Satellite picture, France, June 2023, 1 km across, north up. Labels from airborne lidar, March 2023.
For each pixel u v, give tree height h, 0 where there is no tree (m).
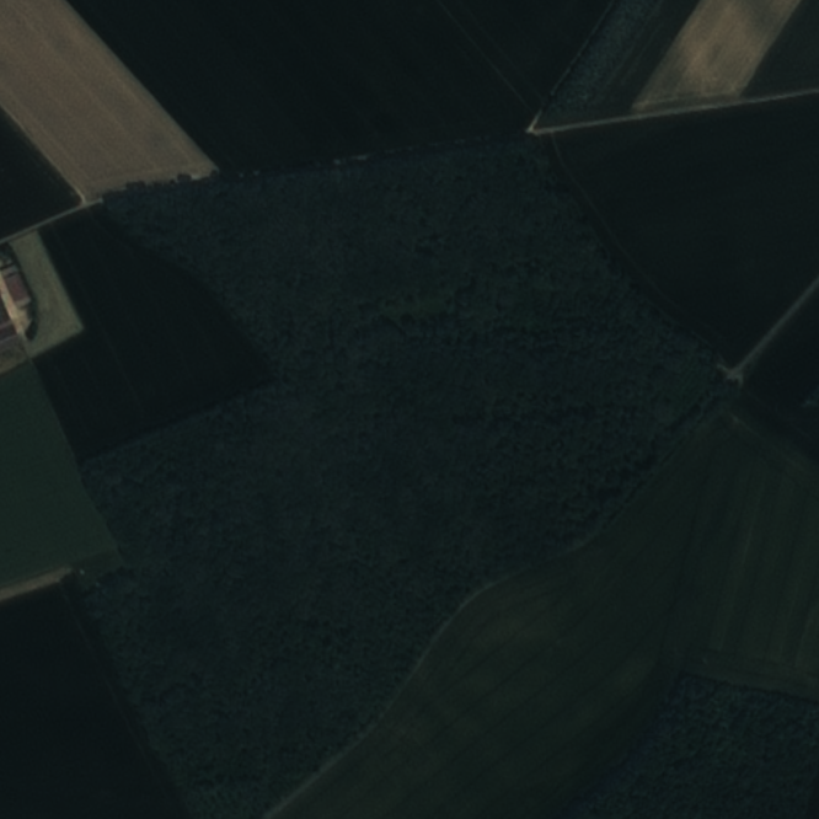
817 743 17
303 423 26
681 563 0
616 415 26
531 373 23
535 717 0
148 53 0
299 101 0
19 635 0
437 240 22
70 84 0
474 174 22
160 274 0
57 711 0
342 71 0
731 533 0
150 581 21
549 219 19
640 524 0
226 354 0
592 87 12
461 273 19
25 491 0
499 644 0
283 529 23
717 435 0
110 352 0
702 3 0
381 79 0
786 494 0
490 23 0
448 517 21
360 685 20
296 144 0
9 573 0
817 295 0
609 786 23
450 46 0
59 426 0
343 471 23
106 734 0
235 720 24
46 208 0
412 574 18
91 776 0
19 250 0
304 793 0
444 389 24
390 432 21
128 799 0
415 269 24
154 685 10
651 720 0
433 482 24
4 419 0
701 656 0
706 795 14
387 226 22
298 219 25
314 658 20
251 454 25
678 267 0
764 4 0
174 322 0
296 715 23
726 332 0
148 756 0
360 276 23
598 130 0
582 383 24
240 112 0
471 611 0
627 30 12
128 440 9
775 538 0
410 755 0
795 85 0
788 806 17
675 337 17
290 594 23
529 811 0
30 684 0
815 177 0
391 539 18
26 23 0
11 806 0
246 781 15
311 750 17
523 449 21
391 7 0
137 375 0
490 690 0
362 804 0
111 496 18
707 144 0
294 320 23
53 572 0
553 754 0
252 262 24
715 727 19
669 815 19
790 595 0
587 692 0
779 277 0
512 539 19
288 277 20
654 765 20
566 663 0
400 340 22
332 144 0
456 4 0
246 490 24
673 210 0
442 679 0
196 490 22
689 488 0
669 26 0
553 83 0
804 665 0
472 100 0
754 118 0
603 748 0
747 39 0
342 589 18
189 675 23
